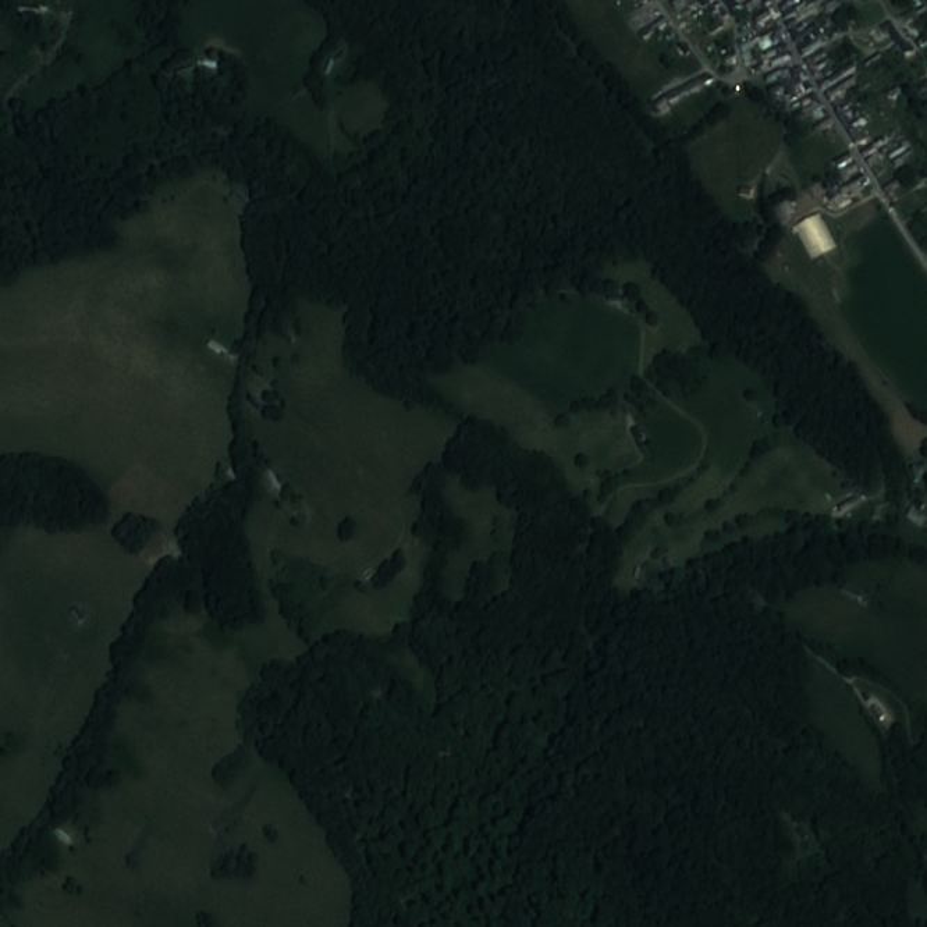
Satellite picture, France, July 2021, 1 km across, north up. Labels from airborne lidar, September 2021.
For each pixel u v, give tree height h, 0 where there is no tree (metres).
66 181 15
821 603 0
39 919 0
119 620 0
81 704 0
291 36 0
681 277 24
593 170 13
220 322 0
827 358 18
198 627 0
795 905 22
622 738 24
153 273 0
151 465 0
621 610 27
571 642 19
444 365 26
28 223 10
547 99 26
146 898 0
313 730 25
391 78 18
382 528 0
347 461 0
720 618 17
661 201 19
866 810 21
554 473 26
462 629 26
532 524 22
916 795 11
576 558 15
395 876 27
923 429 0
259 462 6
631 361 0
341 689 22
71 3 0
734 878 10
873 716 10
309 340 0
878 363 0
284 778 0
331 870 0
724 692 15
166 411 0
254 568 15
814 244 0
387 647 11
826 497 0
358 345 19
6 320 0
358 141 7
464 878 11
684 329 0
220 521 28
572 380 0
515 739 32
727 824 7
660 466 0
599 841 21
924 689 0
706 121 11
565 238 27
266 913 0
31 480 25
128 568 0
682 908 23
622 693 24
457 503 0
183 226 0
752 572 23
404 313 31
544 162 22
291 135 13
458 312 34
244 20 0
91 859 0
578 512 16
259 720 9
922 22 6
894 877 23
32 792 0
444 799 7
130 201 15
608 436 0
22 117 10
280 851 0
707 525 0
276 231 21
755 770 16
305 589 0
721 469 0
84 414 0
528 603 25
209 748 0
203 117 13
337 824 22
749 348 19
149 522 24
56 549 0
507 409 0
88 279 0
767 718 17
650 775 22
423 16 21
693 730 13
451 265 22
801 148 0
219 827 0
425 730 27
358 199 24
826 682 0
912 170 14
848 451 14
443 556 11
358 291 21
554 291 19
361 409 0
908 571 0
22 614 0
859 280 0
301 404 0
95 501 22
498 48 30
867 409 17
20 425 0
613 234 23
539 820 32
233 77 10
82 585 0
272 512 0
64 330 0
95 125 10
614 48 0
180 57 15
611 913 24
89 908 0
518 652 31
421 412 0
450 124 15
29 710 0
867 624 0
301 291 10
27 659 0
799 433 14
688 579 13
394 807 27
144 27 7
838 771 27
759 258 12
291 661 8
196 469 0
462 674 29
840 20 13
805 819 16
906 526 0
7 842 0
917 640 0
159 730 0
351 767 27
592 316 0
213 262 0
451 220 20
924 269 0
